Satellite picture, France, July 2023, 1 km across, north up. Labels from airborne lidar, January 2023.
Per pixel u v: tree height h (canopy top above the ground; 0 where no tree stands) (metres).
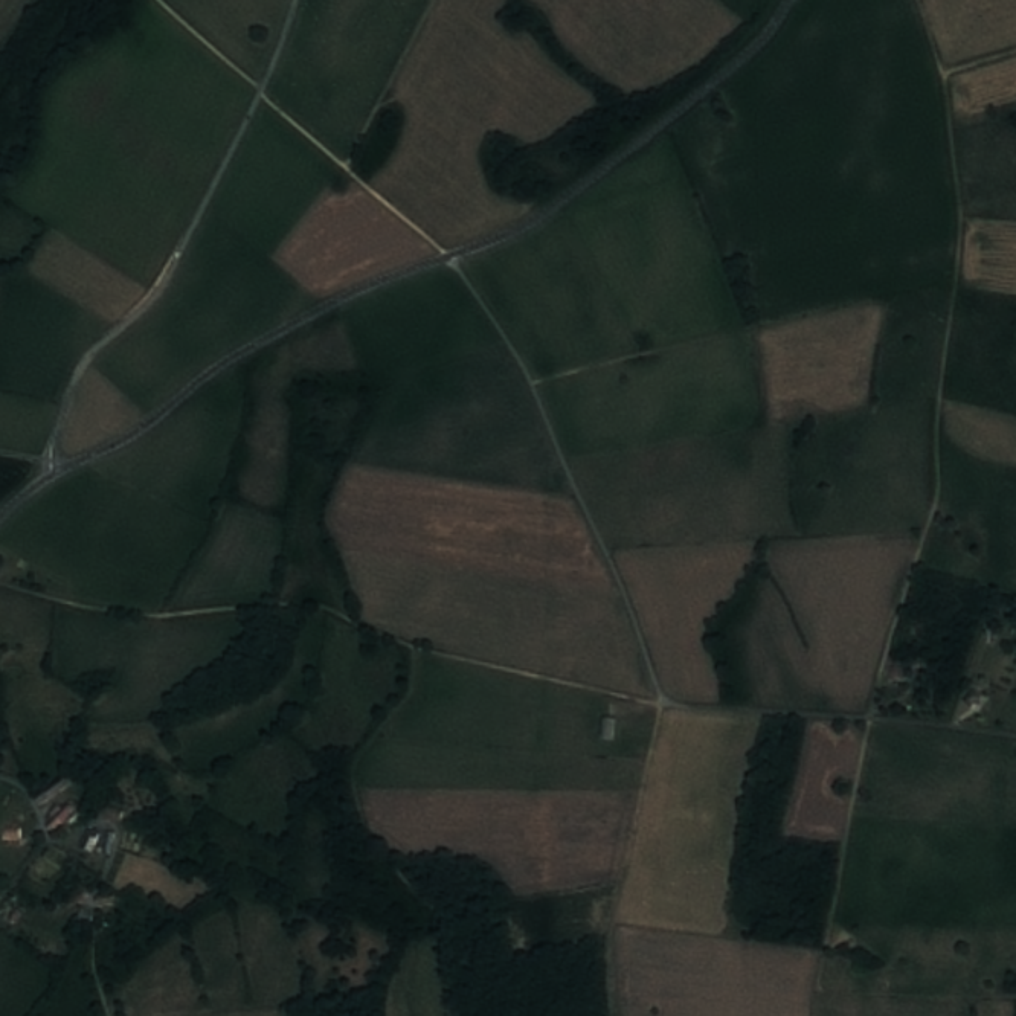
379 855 27
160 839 8
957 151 0
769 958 0
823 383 0
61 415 0
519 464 0
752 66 0
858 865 0
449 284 0
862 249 0
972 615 11
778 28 0
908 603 7
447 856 18
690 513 0
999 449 0
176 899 0
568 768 0
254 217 0
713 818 0
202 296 0
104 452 0
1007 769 0
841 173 0
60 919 0
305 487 0
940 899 0
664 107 0
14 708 0
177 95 0
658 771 0
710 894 0
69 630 0
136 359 0
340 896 6
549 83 0
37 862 0
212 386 0
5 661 0
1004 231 0
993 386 0
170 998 0
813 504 0
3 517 0
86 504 0
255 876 9
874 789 0
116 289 0
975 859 0
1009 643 9
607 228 0
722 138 0
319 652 0
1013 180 0
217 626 0
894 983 0
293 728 20
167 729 21
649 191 0
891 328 0
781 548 0
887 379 0
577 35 0
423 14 0
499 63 0
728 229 0
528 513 0
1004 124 0
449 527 0
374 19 0
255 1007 0
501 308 0
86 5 7
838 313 0
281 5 0
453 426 0
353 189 0
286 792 0
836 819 0
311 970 13
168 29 0
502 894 18
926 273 0
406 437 0
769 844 10
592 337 0
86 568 0
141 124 0
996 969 0
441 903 20
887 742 0
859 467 0
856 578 0
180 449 0
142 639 0
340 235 0
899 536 0
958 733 0
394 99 0
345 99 0
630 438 0
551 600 0
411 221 0
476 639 0
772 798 12
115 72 0
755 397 0
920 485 0
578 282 0
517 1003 20
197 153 0
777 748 14
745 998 0
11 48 9
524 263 0
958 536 11
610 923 0
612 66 0
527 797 0
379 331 0
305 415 0
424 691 0
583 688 0
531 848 0
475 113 0
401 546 0
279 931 0
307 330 0
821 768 0
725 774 0
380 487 0
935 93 0
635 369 0
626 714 0
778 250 0
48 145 0
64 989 0
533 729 0
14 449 0
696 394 0
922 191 0
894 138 0
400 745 0
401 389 0
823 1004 0
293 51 0
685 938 0
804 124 0
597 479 0
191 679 12
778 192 0
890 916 0
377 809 0
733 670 9
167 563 0
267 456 0
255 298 0
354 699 0
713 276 0
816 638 0
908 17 0
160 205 0
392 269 0
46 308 0
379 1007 23
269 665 16
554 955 15
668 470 0
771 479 0
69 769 17
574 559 0
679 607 0
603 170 0
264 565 0
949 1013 0
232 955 0
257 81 0
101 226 0
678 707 0
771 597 0
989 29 0
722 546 0
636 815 0
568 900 0
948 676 15
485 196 0
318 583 0
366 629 16
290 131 0
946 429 0
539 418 0
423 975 0
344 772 14
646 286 0
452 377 0
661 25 0
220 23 0
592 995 12
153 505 0
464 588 0
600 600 0
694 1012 0
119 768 21
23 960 0
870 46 0
